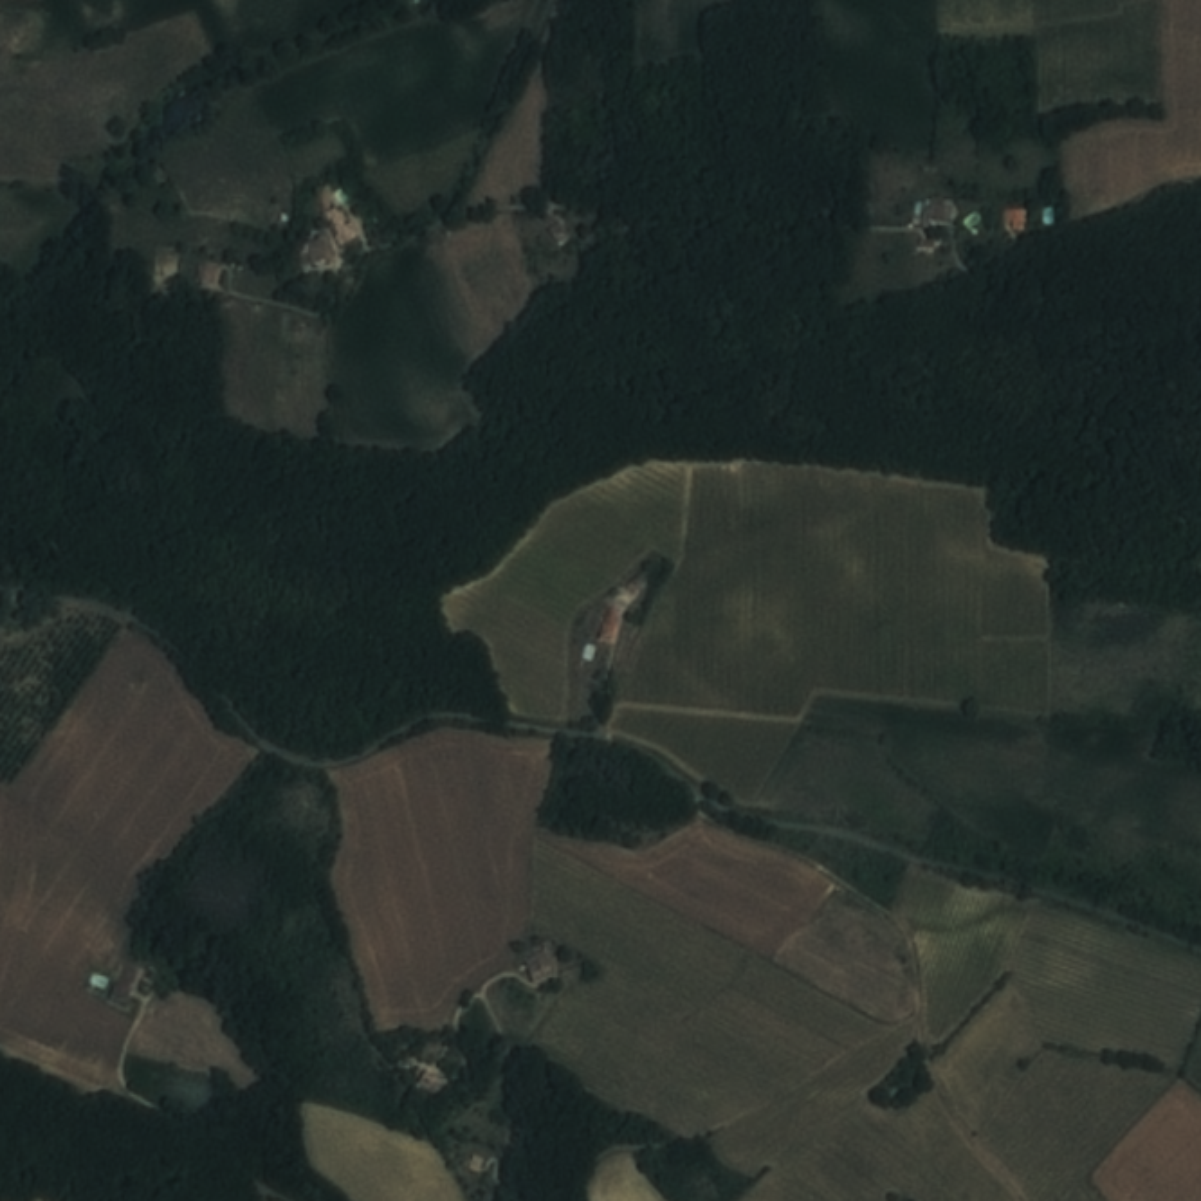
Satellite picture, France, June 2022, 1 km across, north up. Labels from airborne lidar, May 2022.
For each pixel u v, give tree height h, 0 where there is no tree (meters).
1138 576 8
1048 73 0
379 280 0
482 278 0
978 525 0
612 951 0
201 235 0
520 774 0
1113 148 0
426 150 0
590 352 13
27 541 19
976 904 0
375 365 0
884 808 0
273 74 26
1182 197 12
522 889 0
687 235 14
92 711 0
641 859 0
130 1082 8
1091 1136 0
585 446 13
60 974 0
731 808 8
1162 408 24
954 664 0
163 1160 27
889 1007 0
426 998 0
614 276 12
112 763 0
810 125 19
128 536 15
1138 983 0
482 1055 16
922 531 0
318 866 9
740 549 0
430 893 0
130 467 18
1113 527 9
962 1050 0
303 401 0
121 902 0
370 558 18
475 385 10
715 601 0
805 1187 0
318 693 13
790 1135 0
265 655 12
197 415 16
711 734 0
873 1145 0
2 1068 22
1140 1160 0
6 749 6
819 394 15
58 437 6
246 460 19
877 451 14
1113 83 0
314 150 0
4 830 0
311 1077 6
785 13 23
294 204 6
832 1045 0
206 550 13
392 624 18
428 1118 9
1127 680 0
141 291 26
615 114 12
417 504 18
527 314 14
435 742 0
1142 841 0
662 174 17
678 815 13
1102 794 0
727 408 11
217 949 18
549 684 0
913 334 18
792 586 0
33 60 0
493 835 0
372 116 0
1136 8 0
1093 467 21
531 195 17
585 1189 7
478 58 0
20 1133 23
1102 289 14
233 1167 28
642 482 0
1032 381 15
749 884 0
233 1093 13
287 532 16
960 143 0
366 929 0
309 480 15
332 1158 0
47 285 28
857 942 0
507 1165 22
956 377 13
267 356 0
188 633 17
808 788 0
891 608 0
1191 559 13
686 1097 0
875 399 12
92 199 32
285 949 7
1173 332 23
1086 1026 0
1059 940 0
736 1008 0
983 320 13
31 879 0
